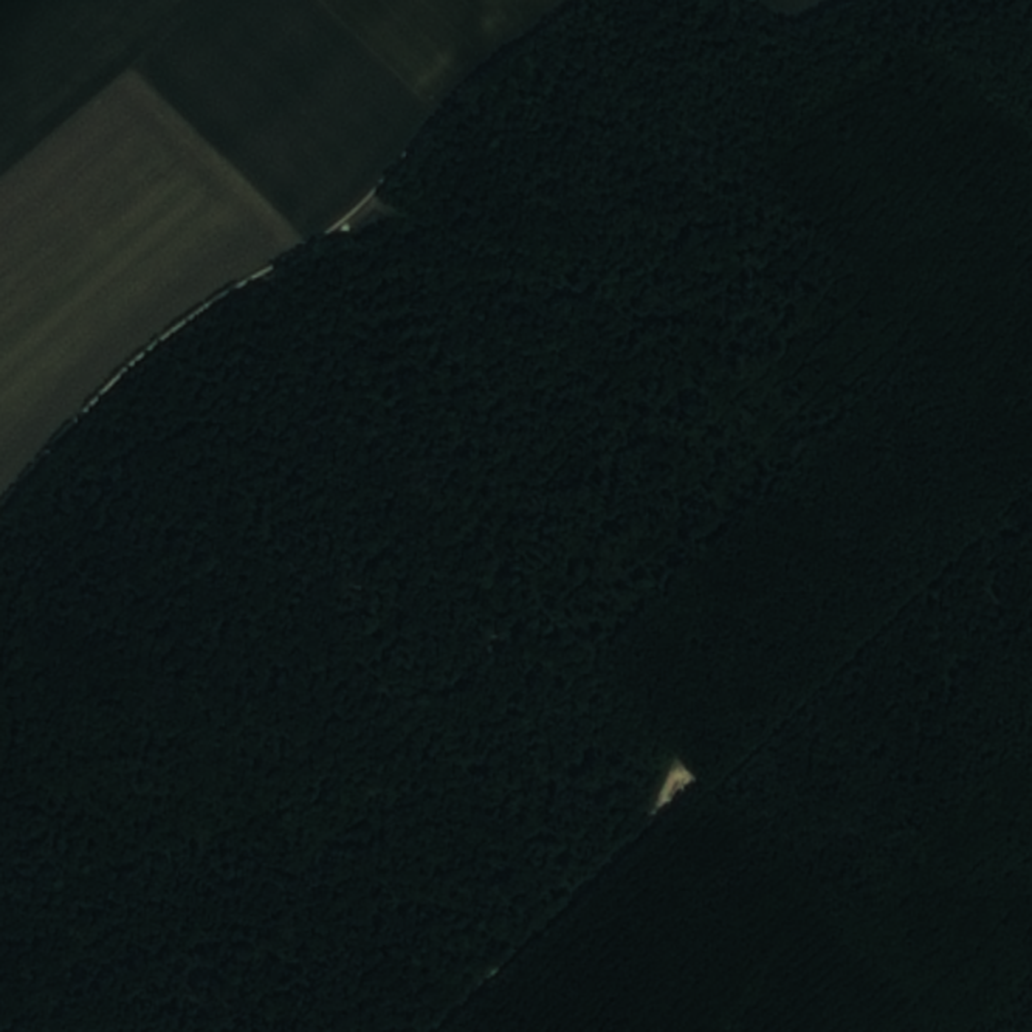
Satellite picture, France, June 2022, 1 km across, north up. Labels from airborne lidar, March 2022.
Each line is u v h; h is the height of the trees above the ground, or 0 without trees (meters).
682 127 15
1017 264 8
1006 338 11
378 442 19
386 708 20
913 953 8
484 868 19
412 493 21
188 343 18
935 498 16
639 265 22
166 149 0
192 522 0
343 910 0
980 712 16
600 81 21
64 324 0
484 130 21
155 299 0
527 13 0
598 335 21
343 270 21
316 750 19
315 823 15
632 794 16
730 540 19
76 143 0
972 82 19
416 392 23
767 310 20
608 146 12
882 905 7
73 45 0
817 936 13
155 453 0
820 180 6
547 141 14
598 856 18
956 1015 8
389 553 19
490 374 19
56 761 0
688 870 16
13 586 15
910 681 18
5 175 0
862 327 17
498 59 14
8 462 0
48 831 0
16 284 0
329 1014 0
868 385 10
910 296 7
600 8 21
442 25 0
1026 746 10
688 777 0
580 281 19
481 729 18
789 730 17
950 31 17
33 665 16
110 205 0
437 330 18
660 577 21
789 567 16
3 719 0
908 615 14
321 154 0
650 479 20
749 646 16
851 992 10
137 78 0
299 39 0
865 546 13
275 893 19
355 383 21
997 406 12
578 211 19
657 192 16
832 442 12
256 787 20
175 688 19
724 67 15
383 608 16
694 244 21
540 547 15
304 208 0
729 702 14
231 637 17
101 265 0
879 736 16
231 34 0
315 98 0
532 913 23
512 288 22
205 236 0
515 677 20
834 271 12
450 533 22
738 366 20
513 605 22
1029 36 20
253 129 0
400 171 9
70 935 17
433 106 0
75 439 16
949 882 8
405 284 18
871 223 7
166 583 19
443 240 19
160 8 0
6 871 20
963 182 6
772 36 19
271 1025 0
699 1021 11
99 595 18
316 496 23
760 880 14
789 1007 12
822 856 15
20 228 0
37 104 0
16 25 0
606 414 22
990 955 8
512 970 15
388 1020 19
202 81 0
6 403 0
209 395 17
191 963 0
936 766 17
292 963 0
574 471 10
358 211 0
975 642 20
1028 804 9
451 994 17
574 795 20
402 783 21
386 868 21
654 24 18
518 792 21
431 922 24
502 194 17
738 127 16
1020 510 18
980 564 19
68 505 22
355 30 0
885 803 17
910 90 15
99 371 0
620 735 20
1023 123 17
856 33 20
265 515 0
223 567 0
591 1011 14
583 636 22
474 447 20
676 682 14
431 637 20
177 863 0
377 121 0
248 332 19
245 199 0
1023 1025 17
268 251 0
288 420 0
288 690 17
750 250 19
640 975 15
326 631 19
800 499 14
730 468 23
